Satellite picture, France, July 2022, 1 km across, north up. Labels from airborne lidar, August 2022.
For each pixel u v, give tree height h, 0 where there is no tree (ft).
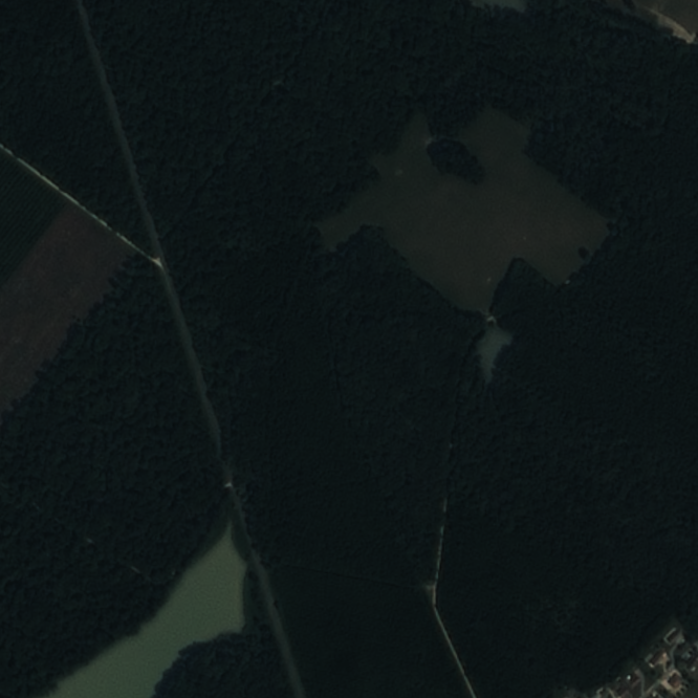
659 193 81
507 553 25
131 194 33
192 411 63
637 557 66
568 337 53
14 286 0
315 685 20
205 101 51
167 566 52
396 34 78
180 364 54
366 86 59
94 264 0
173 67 57
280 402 45
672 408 51
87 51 57
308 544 40
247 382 81
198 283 62
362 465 44
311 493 43
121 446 60
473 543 33
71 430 39
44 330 0
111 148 66
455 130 62
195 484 61
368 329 91
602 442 57
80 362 64
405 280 74
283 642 0
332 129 67
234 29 48
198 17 56
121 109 37
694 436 56
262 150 64
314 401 43
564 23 74
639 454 70
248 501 63
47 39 53
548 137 73
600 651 41
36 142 68
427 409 61
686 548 59
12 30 76
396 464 78
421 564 68
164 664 0
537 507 60
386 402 66
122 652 0
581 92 82
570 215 0
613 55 87
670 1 0
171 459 63
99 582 42
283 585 19
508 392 72
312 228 41
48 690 42
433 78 69
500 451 69
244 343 82
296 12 73
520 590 32
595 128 78
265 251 41
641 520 62
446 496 62
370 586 24
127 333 52
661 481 57
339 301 75
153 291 52
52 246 0
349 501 39
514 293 66
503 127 0
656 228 47
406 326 82
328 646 19
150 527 68
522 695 29
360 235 30
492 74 74
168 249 40
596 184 62
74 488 73
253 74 68
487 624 55
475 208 0
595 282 61
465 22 73
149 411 63
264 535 68
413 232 0
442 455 75
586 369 56
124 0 72
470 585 28
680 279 54
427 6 63
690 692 0
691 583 65
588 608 30
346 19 63
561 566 31
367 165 74
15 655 81
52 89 61
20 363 0
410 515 77
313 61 70
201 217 73
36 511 50
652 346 35
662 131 39
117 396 52
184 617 0
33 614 76
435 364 73
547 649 30
